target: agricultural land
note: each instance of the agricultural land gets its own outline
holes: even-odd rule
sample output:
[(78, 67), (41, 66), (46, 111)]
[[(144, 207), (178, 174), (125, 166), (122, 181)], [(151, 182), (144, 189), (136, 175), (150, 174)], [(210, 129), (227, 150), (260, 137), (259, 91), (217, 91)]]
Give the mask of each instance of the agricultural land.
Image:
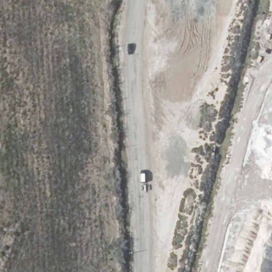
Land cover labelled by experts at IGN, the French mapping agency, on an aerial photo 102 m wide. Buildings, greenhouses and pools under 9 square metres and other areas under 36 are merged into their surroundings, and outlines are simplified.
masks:
[(131, 263), (134, 256), (134, 241), (130, 235), (131, 215), (127, 203), (127, 157), (123, 142), (125, 134), (118, 72), (120, 58), (119, 47), (115, 44), (117, 15), (122, 0), (0, 0), (0, 272), (133, 272)]

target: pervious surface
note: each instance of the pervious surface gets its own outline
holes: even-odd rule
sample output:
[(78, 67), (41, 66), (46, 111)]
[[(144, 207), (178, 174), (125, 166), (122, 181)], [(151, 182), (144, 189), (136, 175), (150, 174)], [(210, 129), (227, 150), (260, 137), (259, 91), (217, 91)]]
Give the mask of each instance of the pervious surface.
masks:
[[(182, 258), (189, 232), (197, 229), (205, 205), (200, 201), (200, 194), (204, 194), (201, 182), (207, 160), (200, 153), (193, 153), (192, 149), (209, 144), (212, 134), (217, 132), (217, 124), (223, 121), (220, 118), (220, 107), (233, 71), (221, 70), (221, 67), (231, 63), (223, 56), (231, 56), (232, 48), (227, 45), (234, 44), (235, 37), (241, 36), (236, 34), (243, 28), (241, 19), (244, 12), (240, 7), (248, 5), (248, 0), (122, 0), (117, 15), (115, 44), (119, 47), (120, 58), (118, 72), (125, 134), (123, 142), (127, 157), (127, 203), (131, 215), (130, 235), (134, 241), (134, 256), (131, 263), (133, 272), (178, 272), (181, 269), (181, 262), (177, 263), (173, 270), (168, 268), (170, 254), (176, 254), (177, 259)], [(211, 122), (210, 131), (199, 127), (200, 106), (203, 103), (214, 104), (218, 110), (216, 119)], [(177, 220), (181, 223), (187, 221), (188, 232), (180, 249), (175, 249), (172, 245)]]
[(251, 59), (251, 67), (245, 70), (242, 80), (242, 107), (232, 118), (225, 139), (218, 147), (222, 161), (212, 193), (214, 204), (204, 232), (206, 241), (198, 260), (198, 272), (272, 272), (272, 0), (270, 0), (271, 15), (266, 20), (258, 20), (255, 23), (253, 34), (260, 36), (260, 49), (258, 57)]

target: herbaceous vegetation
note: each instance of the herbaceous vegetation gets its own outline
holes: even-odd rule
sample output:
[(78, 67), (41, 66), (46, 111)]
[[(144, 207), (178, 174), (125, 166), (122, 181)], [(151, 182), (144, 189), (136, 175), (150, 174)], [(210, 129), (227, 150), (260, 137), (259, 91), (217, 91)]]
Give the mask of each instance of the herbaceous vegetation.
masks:
[(170, 254), (168, 268), (173, 270), (177, 263), (181, 262), (181, 269), (178, 272), (198, 272), (198, 260), (206, 241), (204, 232), (214, 204), (212, 193), (222, 161), (218, 147), (225, 139), (232, 118), (242, 107), (242, 80), (245, 70), (251, 67), (251, 59), (258, 57), (260, 49), (260, 36), (253, 34), (255, 23), (258, 20), (266, 20), (271, 15), (270, 0), (248, 0), (248, 5), (240, 7), (244, 12), (241, 19), (243, 28), (236, 34), (241, 36), (235, 37), (234, 44), (227, 45), (232, 48), (231, 56), (223, 56), (231, 63), (221, 67), (221, 70), (233, 71), (220, 107), (220, 118), (223, 121), (217, 124), (217, 132), (212, 134), (209, 144), (192, 149), (193, 153), (200, 153), (207, 160), (201, 182), (204, 194), (200, 194), (200, 201), (205, 205), (197, 229), (189, 232), (182, 258), (177, 259), (176, 254)]
[(172, 245), (175, 249), (180, 249), (188, 232), (187, 221), (181, 223), (177, 220)]
[(203, 103), (200, 106), (199, 127), (210, 131), (211, 122), (216, 119), (218, 110), (214, 104)]

